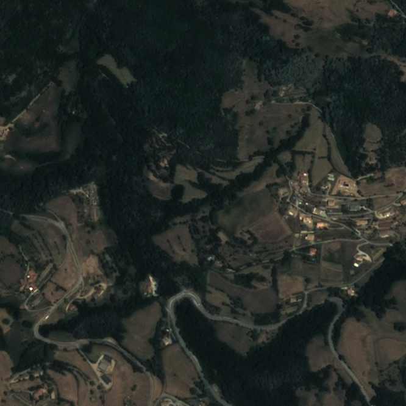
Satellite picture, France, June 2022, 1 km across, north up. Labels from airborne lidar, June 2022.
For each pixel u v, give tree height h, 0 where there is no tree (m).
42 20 15
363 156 13
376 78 9
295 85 16
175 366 0
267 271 0
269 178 0
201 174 11
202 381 7
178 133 12
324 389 7
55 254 0
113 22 19
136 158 15
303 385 8
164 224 14
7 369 0
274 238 0
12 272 0
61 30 10
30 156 11
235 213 0
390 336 0
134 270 0
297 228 0
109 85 9
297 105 0
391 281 12
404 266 24
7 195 32
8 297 0
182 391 0
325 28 0
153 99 9
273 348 15
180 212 25
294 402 9
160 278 11
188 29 12
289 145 19
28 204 17
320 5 0
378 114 9
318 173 0
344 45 0
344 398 0
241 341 0
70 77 0
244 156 0
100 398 7
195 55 16
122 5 11
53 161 14
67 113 14
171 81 10
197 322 10
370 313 0
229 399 12
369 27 9
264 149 0
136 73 14
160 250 8
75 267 0
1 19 15
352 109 10
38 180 20
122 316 16
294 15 12
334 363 0
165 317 12
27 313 0
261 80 10
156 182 0
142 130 13
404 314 0
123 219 19
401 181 0
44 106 0
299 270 0
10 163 0
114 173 10
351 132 10
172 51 16
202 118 12
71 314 0
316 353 0
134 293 6
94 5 8
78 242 0
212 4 10
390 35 13
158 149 7
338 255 0
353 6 0
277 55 21
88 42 21
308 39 0
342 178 0
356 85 14
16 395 0
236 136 10
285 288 0
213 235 10
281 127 0
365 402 7
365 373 0
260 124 8
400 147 8
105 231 0
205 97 17
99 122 10
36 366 8
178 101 10
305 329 20
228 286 0
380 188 0
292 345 8
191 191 0
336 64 16
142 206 6
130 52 17
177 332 0
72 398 0
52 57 10
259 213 0
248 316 0
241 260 0
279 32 0
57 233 0
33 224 0
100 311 22
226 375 20
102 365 0
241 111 0
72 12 17
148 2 14
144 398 0
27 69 13
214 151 12
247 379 22
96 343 8
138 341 0
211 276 0
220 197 15
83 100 13
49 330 19
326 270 0
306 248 8
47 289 0
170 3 16
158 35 11
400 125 10
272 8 7
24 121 0
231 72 12
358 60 11
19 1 15
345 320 8
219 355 20
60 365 10
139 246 23
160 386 0
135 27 11
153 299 8
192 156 9
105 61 0
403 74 10
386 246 0
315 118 0
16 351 0
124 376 0
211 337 11
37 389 9
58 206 0
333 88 14
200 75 12
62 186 20
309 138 0
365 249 0
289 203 9
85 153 19
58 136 0
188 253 0
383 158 8
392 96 15
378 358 0
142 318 0
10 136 0
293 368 10
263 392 17
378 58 14
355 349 0
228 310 0
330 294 5
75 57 12
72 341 0
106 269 9
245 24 8
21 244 8
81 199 9
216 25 11
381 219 0
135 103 16
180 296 0
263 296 0
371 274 0
